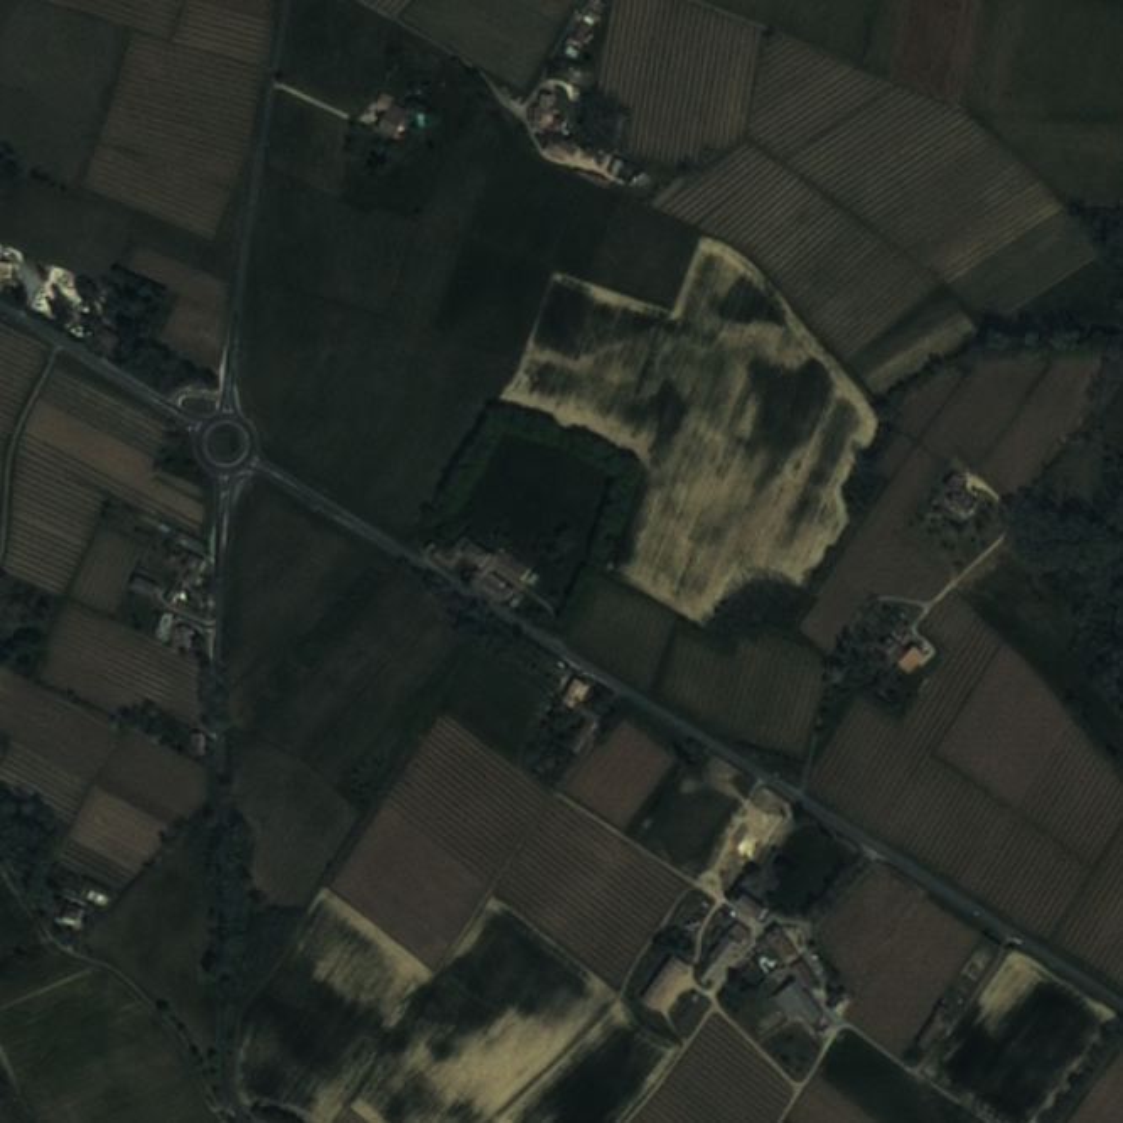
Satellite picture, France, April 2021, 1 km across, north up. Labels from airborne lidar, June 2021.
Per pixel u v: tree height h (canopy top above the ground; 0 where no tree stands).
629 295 0
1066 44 0
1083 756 0
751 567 0
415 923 0
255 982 13
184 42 0
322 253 0
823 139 0
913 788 0
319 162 0
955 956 0
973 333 0
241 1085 0
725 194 0
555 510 0
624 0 0
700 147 0
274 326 0
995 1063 0
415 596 0
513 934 0
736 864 0
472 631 20
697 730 0
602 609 0
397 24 0
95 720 0
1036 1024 0
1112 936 0
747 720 0
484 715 0
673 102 0
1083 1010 0
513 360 0
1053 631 0
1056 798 0
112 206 0
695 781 0
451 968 0
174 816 0
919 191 0
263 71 0
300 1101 0
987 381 0
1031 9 0
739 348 0
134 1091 0
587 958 0
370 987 0
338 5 0
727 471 0
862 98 0
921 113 0
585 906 0
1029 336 22
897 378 0
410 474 0
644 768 0
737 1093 0
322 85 0
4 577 13
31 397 0
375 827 0
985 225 0
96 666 0
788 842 0
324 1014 0
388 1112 0
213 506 0
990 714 0
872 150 0
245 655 0
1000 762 0
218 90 0
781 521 0
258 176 0
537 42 0
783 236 0
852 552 0
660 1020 0
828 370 0
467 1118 0
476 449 14
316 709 0
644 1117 0
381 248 0
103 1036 0
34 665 24
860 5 0
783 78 0
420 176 0
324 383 0
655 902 0
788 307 0
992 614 0
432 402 0
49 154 0
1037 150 0
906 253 0
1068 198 0
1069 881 0
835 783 0
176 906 0
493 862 0
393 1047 0
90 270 0
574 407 0
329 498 0
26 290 12
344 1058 0
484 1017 0
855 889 10
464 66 7
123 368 19
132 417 0
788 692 0
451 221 0
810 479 0
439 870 0
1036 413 0
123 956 0
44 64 0
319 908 0
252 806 0
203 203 0
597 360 0
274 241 0
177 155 0
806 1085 0
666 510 0
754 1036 0
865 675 13
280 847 0
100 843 0
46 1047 0
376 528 0
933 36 0
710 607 0
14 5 0
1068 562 27
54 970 0
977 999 0
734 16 0
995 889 0
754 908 0
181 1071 0
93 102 0
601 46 0
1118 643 17
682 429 0
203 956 0
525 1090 0
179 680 0
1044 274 0
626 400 0
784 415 0
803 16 0
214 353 0
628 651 0
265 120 0
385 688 0
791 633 14
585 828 0
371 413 0
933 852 0
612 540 15
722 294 0
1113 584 16
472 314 0
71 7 0
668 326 0
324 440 0
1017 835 0
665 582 0
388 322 0
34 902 10
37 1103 0
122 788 0
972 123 0
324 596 0
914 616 0
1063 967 0
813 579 11
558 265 0
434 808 0
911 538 0
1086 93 0
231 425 0
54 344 0
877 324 0
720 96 0
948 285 0
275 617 0
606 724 14
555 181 0
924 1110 0
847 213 0
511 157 0
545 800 0
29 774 0
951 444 0
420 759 0
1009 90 0
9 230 0
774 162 0
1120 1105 0
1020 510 19
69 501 0
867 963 0
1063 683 0
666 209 0
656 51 0
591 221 0
